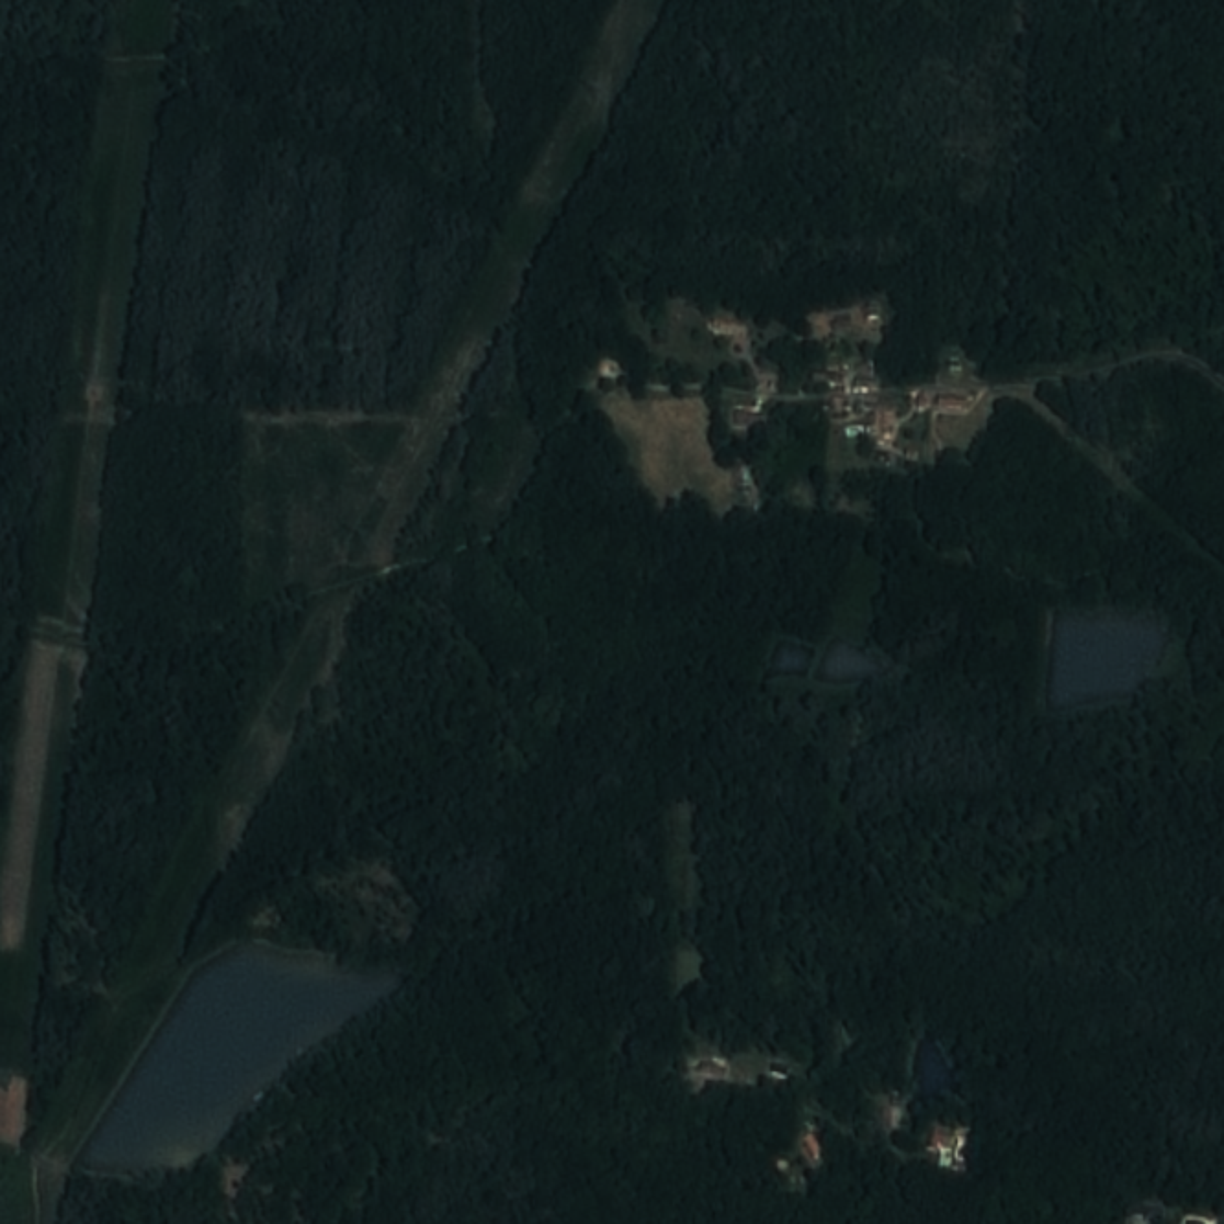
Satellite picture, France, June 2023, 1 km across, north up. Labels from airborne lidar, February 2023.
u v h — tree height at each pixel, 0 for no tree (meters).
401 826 24
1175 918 20
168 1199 16
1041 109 22
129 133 0
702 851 17
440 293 20
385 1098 16
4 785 23
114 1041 0
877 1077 22
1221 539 16
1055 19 22
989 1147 22
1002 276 6
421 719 14
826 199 21
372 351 21
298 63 18
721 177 24
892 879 20
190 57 22
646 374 12
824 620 20
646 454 0
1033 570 19
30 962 0
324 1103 19
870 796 24
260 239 21
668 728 23
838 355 7
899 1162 15
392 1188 16
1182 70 25
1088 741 18
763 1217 21
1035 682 9
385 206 22
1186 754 23
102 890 23
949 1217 21
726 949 23
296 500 0
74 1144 0
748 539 24
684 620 27
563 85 12
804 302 14
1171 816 10
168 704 19
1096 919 20
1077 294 23
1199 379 10
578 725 18
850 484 10
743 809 20
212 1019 0
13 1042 0
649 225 21
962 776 24
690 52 19
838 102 18
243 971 0
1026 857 19
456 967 16
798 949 20
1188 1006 20
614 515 26
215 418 21
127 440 11
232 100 20
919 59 7
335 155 19
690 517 21
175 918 0
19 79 22
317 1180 16
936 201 10
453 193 20
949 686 15
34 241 23
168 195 13
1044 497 19
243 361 14
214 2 23
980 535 19
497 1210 22
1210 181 27
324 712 13
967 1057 23
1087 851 24
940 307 14
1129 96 21
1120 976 17
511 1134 17
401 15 20
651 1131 23
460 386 0
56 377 15
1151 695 20
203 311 21
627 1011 23
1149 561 9
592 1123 23
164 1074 0
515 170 18
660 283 19
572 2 11
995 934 20
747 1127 21
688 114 23
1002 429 18
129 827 25
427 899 26
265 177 19
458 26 12
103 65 22
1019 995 23
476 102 15
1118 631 0
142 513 8
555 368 15
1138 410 7
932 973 20
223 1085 0
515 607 14
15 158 20
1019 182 15
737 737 20
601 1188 22
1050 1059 25
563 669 18
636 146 18
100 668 16
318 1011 0
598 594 24
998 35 6
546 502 24
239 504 15
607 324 25
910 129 8
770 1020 17
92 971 20
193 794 25
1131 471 9
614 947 12
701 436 0
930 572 7
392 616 13
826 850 7
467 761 12
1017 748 17
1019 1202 22
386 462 0
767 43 19
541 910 15
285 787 9
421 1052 20
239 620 12
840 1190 24
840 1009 23
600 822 21
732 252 18
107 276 0
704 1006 35
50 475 25
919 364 13
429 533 10
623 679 19
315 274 21
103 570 11
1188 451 10
